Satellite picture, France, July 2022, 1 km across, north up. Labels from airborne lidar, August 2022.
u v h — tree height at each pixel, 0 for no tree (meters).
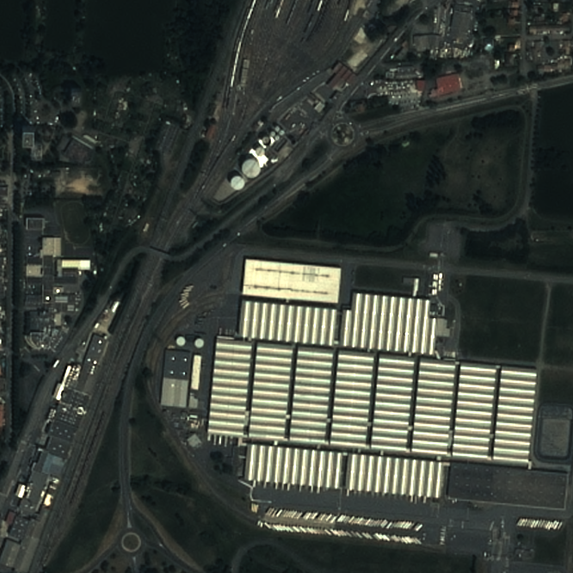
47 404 0
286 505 0
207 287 0
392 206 0
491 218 0
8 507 0
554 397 0
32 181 9
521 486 0
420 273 0
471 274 0
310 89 0
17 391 15
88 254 0
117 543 0
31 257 0
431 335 0
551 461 0
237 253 0
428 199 11
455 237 0
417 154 0
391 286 0
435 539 0
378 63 0
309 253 0
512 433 0
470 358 0
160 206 0
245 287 0
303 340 0
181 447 0
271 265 0
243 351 0
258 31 0
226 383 0
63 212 0
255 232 0
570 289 0
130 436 0
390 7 0
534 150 7
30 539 0
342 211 0
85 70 24
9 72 14
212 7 22
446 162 0
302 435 0
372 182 0
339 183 0
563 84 0
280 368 0
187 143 0
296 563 0
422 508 0
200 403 0
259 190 0
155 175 8
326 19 0
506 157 0
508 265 0
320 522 0
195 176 0
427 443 0
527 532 0
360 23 0
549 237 0
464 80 0
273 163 0
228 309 0
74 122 18
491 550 0
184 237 0
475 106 0
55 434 0
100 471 0
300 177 0
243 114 0
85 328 0
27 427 0
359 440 0
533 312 0
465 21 0
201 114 0
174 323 0
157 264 0
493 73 0
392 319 0
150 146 11
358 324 0
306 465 0
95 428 0
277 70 0
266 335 0
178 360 0
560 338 0
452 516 0
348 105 9
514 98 0
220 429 0
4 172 7
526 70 0
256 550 0
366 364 0
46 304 0
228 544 0
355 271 0
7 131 13
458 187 0
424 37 0
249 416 0
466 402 0
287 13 0
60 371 0
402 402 0
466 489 0
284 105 0
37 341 0
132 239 0
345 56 0
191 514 0
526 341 0
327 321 0
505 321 0
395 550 0
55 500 0
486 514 0
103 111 0
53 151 16
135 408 0
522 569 0
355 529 0
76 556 0
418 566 0
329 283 0
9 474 0
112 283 0
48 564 0
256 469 0
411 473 0
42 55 14
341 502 0
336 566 0
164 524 0
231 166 0
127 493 0
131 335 0
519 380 0
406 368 0
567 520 0
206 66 7
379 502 0
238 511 0
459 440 0
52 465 0
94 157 0
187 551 0
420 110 0
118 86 0
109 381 0
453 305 0
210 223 17
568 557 0
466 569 0
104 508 0
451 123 0
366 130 0
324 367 0
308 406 0
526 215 0
